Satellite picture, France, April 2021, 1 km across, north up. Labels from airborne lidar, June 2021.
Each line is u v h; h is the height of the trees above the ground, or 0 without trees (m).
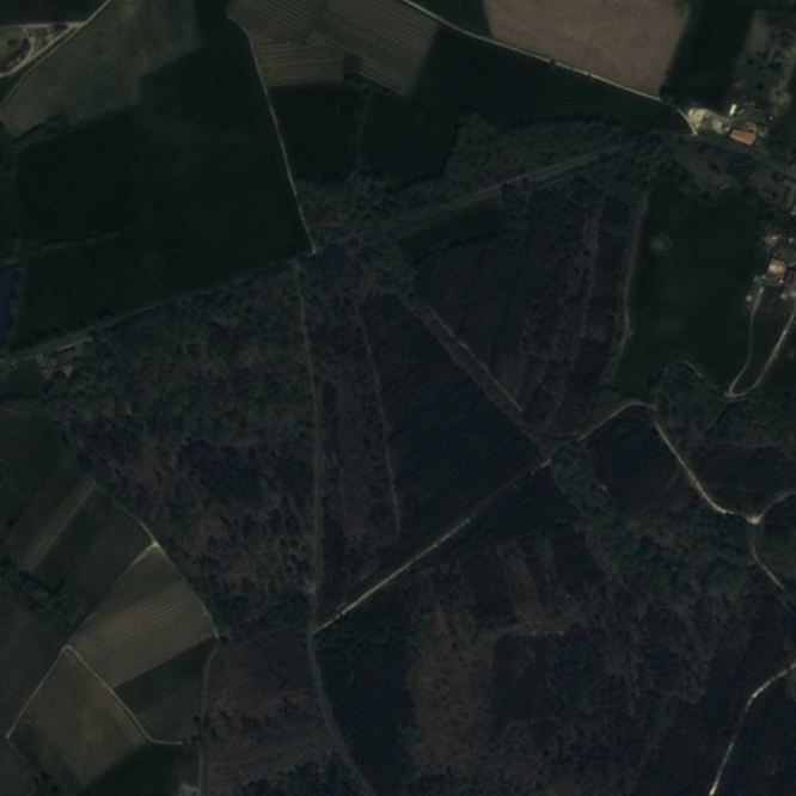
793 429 10
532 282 9
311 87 0
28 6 0
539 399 13
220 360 14
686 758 9
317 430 15
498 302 7
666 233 0
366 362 21
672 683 21
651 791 9
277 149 0
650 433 8
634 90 0
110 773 0
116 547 0
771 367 0
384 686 7
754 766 9
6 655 0
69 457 0
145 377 14
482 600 8
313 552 10
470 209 0
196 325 17
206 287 0
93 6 0
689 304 0
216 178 0
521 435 10
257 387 15
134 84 0
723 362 0
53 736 0
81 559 0
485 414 10
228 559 15
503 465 9
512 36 0
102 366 6
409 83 0
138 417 17
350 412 7
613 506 10
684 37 0
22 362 14
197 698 0
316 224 8
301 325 17
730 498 8
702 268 0
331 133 0
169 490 9
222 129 0
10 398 13
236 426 11
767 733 7
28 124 0
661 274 0
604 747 17
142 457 20
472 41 0
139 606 0
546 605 9
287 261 0
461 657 7
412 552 8
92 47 0
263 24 0
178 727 0
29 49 0
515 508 12
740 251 0
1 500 0
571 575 9
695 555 10
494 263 7
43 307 0
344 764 12
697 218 0
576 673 23
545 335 11
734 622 8
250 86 0
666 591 15
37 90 0
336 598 7
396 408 6
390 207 21
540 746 8
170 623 0
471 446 10
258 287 14
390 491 10
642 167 18
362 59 0
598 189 9
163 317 16
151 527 11
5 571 13
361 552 9
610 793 8
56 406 18
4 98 0
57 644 0
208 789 0
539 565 10
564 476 11
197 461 19
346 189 22
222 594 18
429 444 9
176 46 0
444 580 7
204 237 0
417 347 9
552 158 8
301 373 10
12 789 0
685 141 13
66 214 0
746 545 19
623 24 0
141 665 0
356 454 6
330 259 13
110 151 0
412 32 0
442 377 7
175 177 0
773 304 0
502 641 6
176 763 0
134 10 0
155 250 0
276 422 11
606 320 7
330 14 0
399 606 10
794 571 16
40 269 0
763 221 6
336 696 10
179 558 12
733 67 0
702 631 23
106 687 0
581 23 0
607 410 12
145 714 0
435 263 9
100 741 0
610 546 14
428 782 10
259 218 0
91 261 0
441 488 8
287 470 20
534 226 10
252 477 18
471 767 8
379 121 0
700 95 0
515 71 0
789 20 0
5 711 0
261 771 0
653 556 26
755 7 0
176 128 0
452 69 0
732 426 10
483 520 9
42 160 0
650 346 0
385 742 10
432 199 12
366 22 0
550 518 10
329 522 9
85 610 11
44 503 0
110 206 0
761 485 10
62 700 0
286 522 15
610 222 11
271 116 0
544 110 0
